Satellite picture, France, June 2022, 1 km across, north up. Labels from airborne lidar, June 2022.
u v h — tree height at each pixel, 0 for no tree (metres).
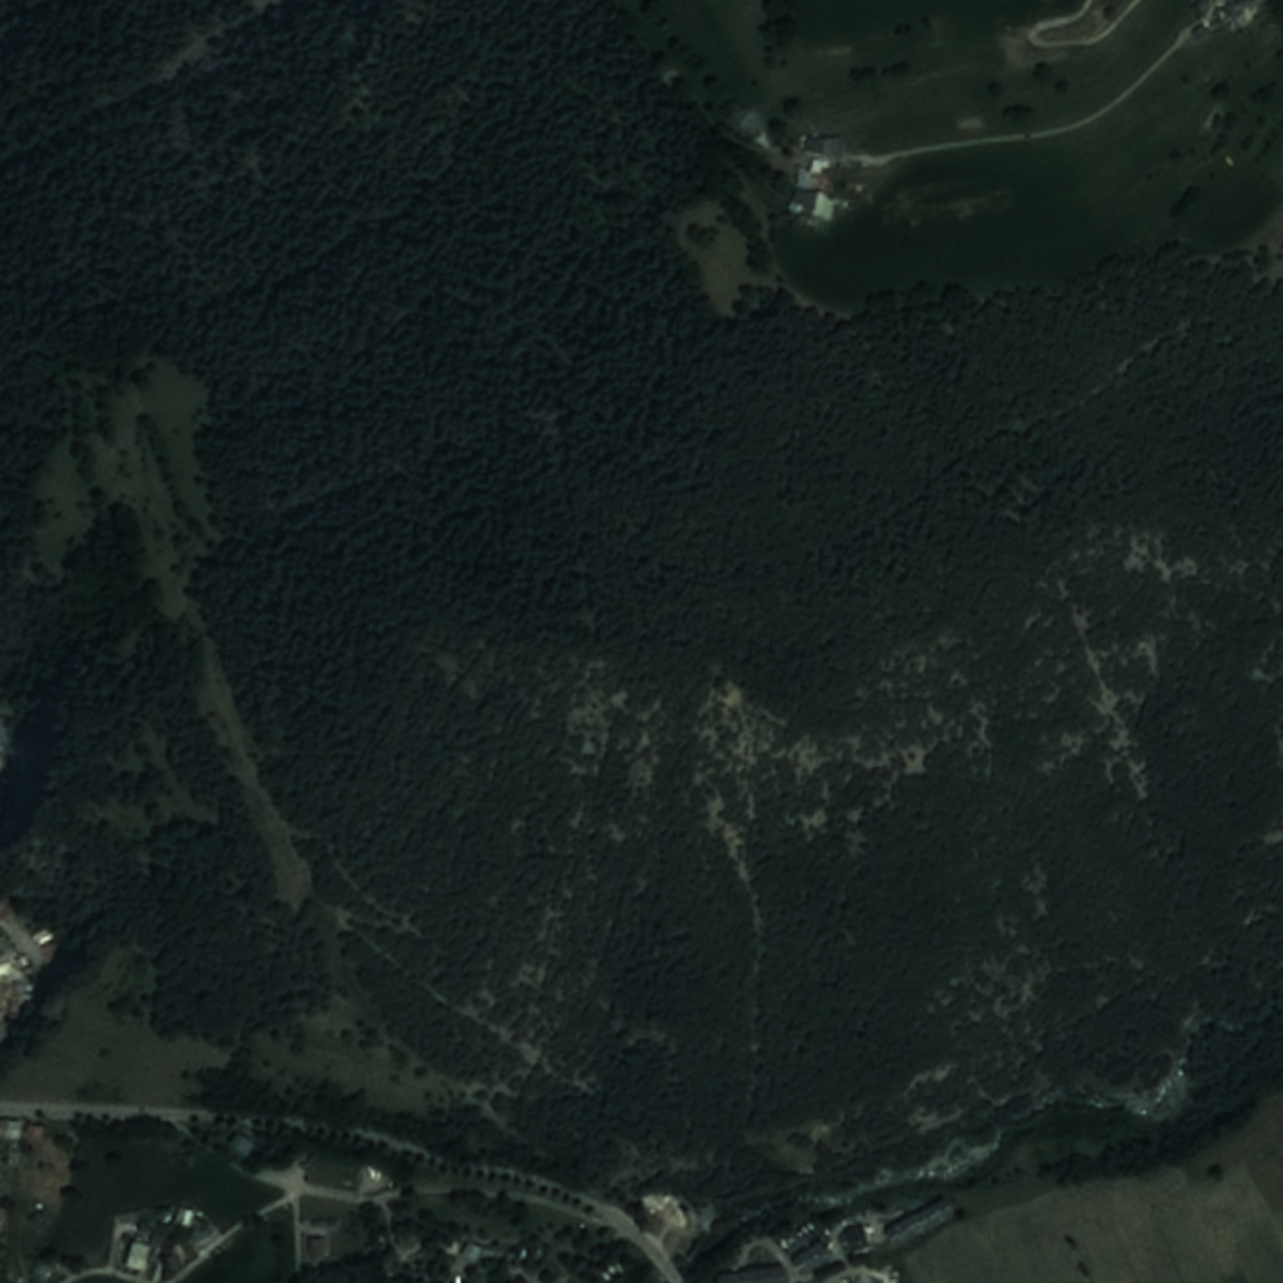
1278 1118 0
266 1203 0
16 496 16
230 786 20
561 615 19
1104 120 0
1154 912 13
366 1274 22
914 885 12
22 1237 0
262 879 19
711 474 14
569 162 22
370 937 11
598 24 24
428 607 21
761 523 15
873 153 0
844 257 0
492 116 23
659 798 9
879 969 14
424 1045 15
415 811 11
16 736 6
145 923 19
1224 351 17
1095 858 11
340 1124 19
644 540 18
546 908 8
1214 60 0
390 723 15
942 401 21
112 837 17
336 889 12
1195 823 17
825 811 7
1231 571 6
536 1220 0
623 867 9
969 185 0
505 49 19
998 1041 8
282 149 28
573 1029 9
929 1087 7
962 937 12
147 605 17
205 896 20
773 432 15
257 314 13
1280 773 11
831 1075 17
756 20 0
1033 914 8
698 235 14
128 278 13
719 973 15
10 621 22
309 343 13
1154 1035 18
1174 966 14
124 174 22
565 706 8
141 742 13
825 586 13
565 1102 14
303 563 22
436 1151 21
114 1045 0
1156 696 10
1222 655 14
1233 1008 18
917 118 0
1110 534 8
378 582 17
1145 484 13
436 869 11
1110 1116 8
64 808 19
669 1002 16
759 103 0
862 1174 13
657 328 29
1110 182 0
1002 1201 0
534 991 8
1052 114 0
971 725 7
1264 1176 0
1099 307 15
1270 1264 0
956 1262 0
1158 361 17
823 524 14
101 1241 0
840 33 0
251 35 6
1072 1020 8
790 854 11
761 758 6
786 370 11
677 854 12
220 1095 12
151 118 16
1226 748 13
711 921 14
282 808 16
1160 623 10
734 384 16
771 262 16
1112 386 8
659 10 13
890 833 13
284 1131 14
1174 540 9
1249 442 27
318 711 21
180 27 21
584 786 9
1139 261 15
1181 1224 0
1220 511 16
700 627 16
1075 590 12
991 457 19
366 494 20
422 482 20
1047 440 15
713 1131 15
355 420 21
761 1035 12
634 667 13
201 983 21
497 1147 12
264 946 18
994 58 0
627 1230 0
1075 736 10
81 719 22
